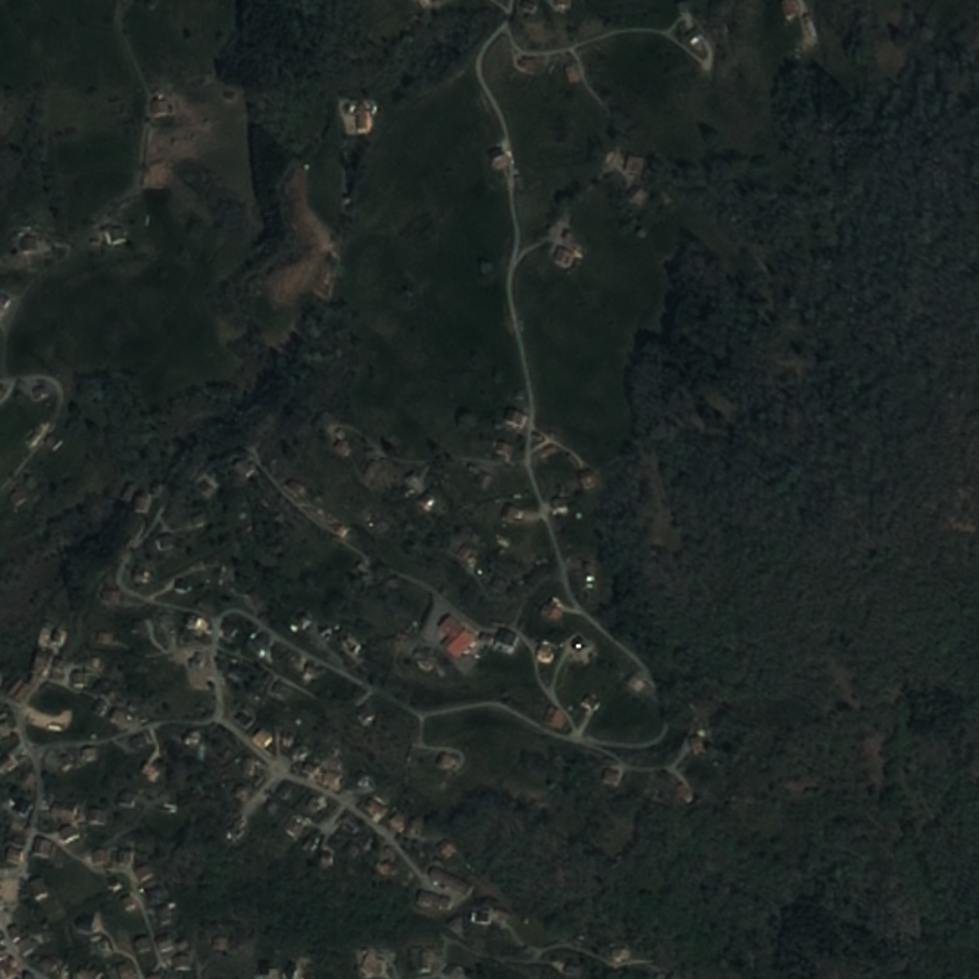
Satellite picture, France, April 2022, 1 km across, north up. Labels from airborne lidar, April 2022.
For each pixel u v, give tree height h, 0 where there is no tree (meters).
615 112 12
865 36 17
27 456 0
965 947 9
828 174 18
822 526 21
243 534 12
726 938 23
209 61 0
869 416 22
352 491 0
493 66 0
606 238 0
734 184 23
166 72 0
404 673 0
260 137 24
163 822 0
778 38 0
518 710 12
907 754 16
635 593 16
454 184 0
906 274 20
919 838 11
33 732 0
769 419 22
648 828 22
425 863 0
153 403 0
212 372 0
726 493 14
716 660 16
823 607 7
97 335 0
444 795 0
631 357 0
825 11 0
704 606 16
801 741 15
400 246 0
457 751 0
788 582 8
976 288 16
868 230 21
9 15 0
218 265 0
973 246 18
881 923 21
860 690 20
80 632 0
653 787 0
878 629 16
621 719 0
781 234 15
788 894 11
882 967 16
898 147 14
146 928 0
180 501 13
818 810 10
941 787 18
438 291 0
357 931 10
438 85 20
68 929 0
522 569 19
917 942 18
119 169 0
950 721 23
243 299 24
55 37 0
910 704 14
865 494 6
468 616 0
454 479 0
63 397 0
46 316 0
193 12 0
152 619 0
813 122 19
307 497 0
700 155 0
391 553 0
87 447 0
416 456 0
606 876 18
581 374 0
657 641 20
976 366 18
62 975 0
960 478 6
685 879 15
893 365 12
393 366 0
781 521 16
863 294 11
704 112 0
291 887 12
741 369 13
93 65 0
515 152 0
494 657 0
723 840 12
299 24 21
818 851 23
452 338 0
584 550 0
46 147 15
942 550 13
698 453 20
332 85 9
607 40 0
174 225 0
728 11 22
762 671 19
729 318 21
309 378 21
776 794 15
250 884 6
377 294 0
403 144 0
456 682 0
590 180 0
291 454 16
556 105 0
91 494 0
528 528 0
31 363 0
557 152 0
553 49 0
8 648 17
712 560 9
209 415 30
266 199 26
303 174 0
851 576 15
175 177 0
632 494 13
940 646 19
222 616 0
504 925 0
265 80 29
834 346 12
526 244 0
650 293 0
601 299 0
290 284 0
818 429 16
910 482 9
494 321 0
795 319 8
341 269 25
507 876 16
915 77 7
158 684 0
